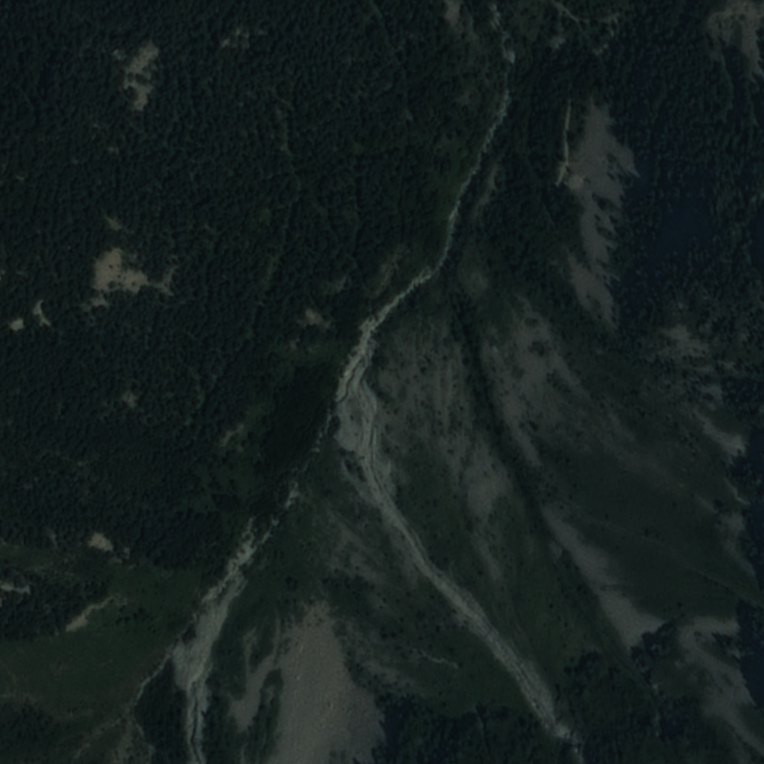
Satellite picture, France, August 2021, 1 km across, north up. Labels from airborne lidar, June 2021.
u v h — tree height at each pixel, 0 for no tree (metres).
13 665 0
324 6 20
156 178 11
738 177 7
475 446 0
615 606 0
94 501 9
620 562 0
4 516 14
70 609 21
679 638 0
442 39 18
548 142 7
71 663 0
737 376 0
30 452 7
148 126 15
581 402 0
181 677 0
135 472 8
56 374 15
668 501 0
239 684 0
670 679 0
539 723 6
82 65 21
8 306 21
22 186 15
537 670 0
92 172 16
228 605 0
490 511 0
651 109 22
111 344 13
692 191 20
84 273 14
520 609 0
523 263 11
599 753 6
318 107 21
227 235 22
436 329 0
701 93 25
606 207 11
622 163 0
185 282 19
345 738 0
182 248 21
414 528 0
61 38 20
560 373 0
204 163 7
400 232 8
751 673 0
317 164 19
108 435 19
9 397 15
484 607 0
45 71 8
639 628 0
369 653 0
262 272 25
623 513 0
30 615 21
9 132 17
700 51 23
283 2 23
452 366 0
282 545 0
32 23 22
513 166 15
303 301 23
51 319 13
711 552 0
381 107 24
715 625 0
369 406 0
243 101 24
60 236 22
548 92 26
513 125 6
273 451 16
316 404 9
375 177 28
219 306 22
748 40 0
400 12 27
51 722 7
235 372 21
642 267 9
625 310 8
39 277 26
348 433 0
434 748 8
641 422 0
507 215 20
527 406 0
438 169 11
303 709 0
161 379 20
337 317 17
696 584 0
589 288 0
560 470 0
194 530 22
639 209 18
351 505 0
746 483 10
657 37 13
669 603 0
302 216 24
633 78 12
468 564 0
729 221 14
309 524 0
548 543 0
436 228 6
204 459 20
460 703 0
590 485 0
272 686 0
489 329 0
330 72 22
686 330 0
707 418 0
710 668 0
